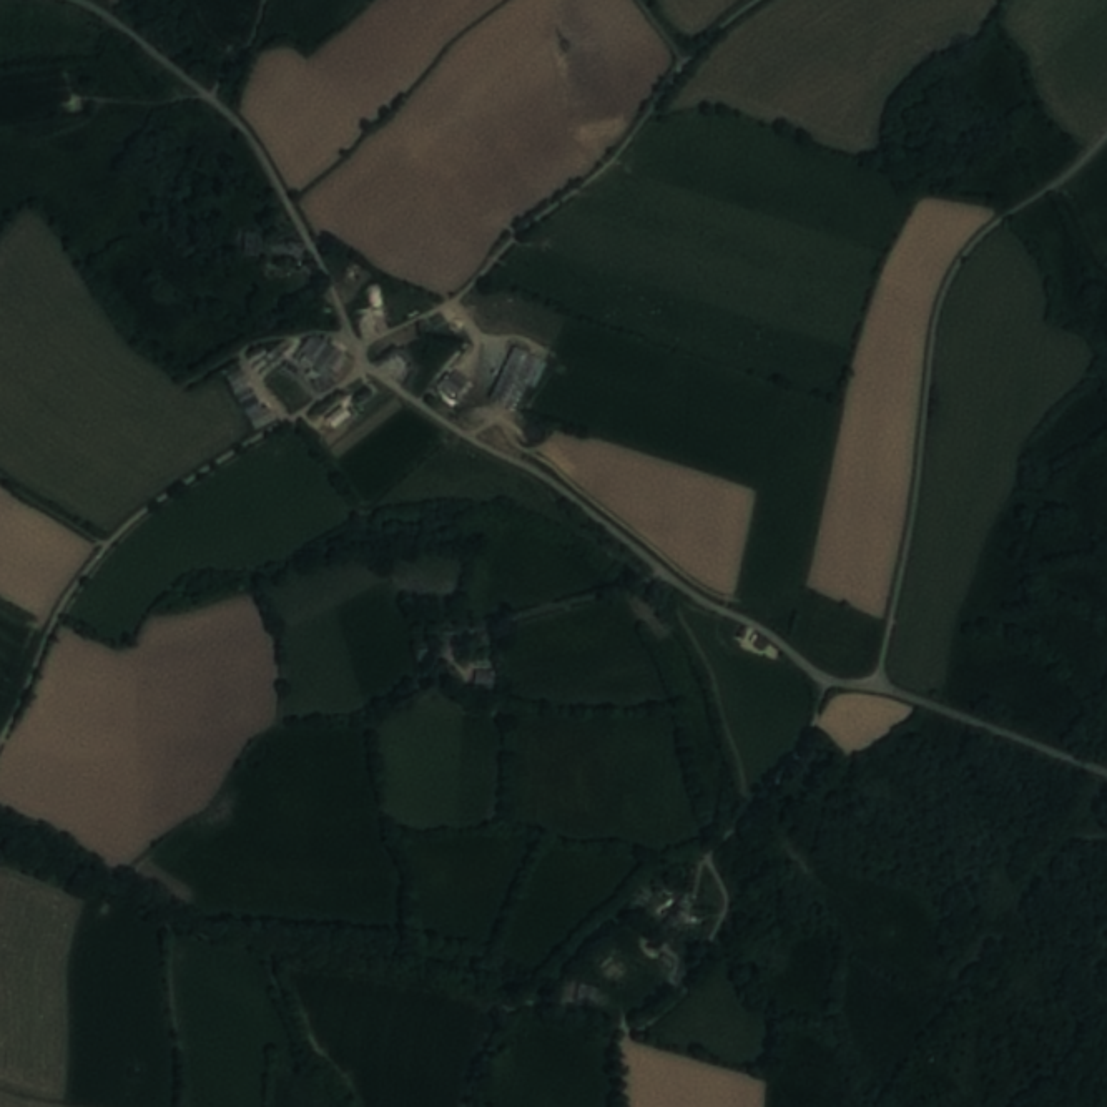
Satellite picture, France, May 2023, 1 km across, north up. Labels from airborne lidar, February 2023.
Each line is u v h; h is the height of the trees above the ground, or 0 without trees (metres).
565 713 6
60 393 0
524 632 0
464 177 0
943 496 0
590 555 10
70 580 0
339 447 0
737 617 0
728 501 0
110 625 0
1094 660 0
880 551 0
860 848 9
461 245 0
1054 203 6
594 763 0
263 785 0
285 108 0
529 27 0
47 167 0
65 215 0
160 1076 0
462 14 0
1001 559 0
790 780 26
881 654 0
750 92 0
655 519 0
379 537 11
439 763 0
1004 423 0
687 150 0
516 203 0
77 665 0
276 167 0
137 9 17
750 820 18
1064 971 14
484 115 0
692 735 11
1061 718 0
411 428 0
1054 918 18
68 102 0
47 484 0
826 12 0
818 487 0
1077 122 0
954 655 0
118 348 0
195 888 0
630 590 21
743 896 14
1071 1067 15
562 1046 0
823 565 0
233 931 21
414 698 17
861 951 0
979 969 12
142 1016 0
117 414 0
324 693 0
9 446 0
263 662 0
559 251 0
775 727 0
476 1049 0
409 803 0
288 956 16
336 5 0
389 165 0
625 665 0
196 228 28
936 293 0
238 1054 0
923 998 0
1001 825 14
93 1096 0
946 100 12
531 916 0
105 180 0
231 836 0
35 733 0
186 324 0
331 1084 9
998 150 10
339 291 0
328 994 0
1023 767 14
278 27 0
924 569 0
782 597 0
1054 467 7
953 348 0
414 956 14
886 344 0
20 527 0
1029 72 7
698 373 0
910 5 0
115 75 0
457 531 11
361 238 0
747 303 0
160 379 0
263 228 13
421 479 0
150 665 0
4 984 0
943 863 11
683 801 0
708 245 0
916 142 10
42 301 0
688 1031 0
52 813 0
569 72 0
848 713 0
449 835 8
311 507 0
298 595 0
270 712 0
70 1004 0
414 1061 0
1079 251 8
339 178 0
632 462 0
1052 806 14
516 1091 0
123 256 0
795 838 9
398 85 0
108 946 0
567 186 6
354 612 0
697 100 0
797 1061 0
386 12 0
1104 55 0
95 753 0
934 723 0
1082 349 0
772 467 0
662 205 0
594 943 20
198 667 0
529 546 0
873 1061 0
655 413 0
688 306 0
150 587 0
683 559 0
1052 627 0
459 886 0
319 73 0
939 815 12
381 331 0
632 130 0
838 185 0
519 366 0
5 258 0
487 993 22
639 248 0
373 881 0
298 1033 12
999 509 0
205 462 0
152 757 0
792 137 12
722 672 0
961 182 9
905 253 0
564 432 11
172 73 0
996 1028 0
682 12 0
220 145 0
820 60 0
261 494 0
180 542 0
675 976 0
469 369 0
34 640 0
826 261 0
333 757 0
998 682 0
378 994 0
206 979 0
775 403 0
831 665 0
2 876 0
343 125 0
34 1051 0
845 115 0
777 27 0
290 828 0
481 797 0
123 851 0
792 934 12
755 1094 0
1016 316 0
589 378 0
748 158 0
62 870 17
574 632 0
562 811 0
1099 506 0
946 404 0
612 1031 17
